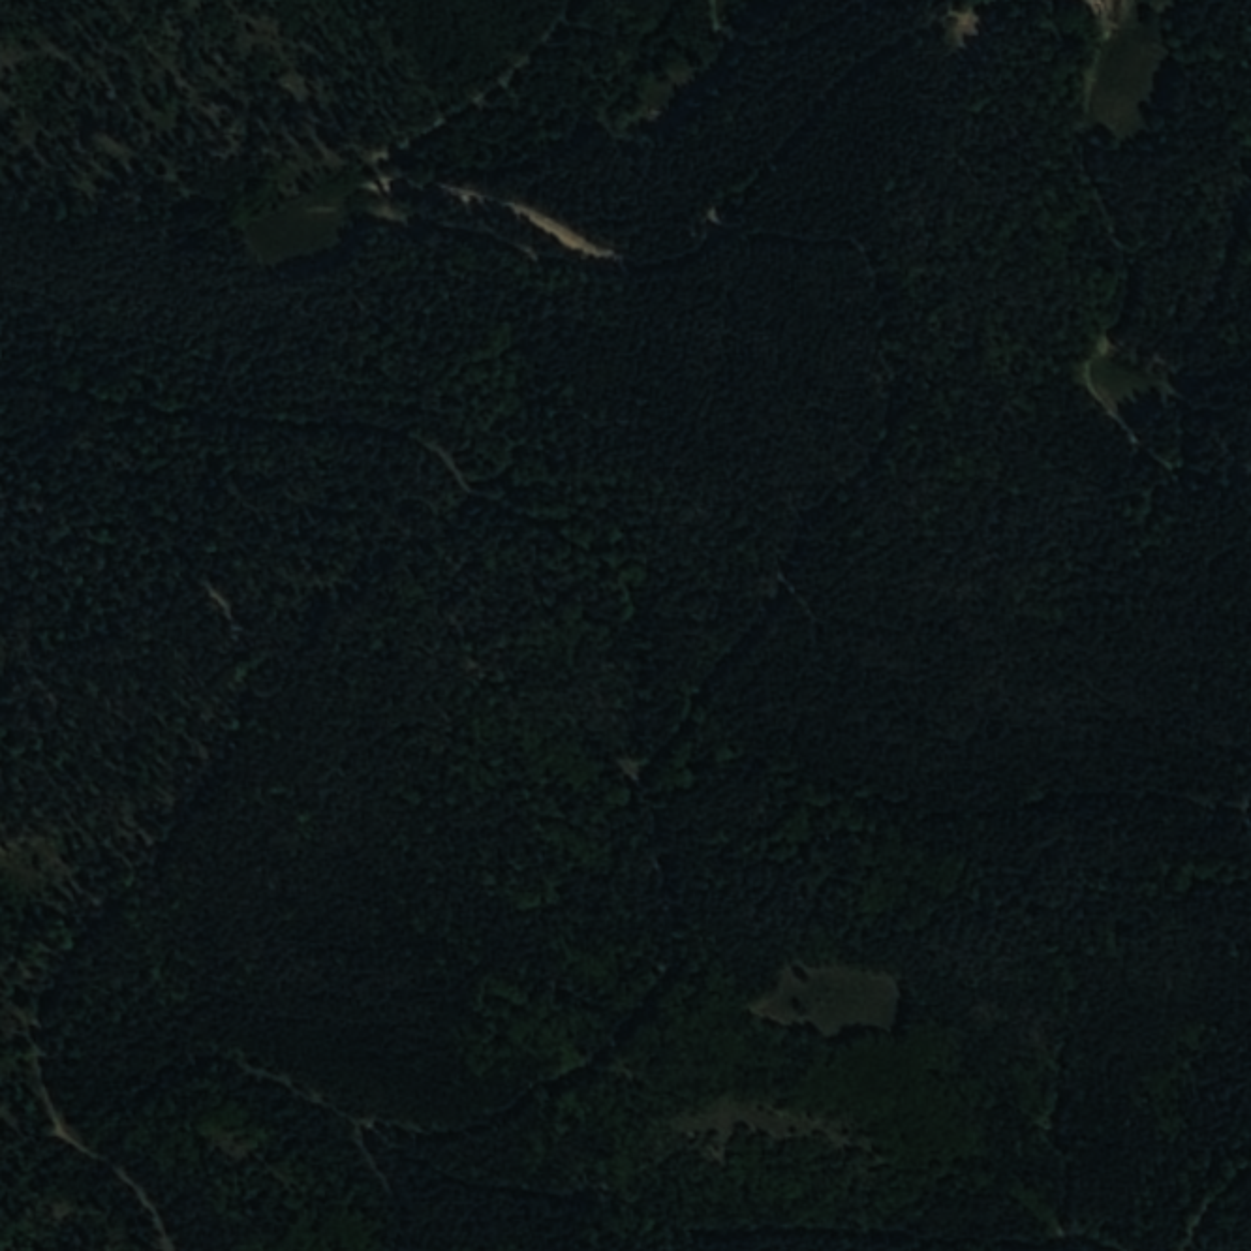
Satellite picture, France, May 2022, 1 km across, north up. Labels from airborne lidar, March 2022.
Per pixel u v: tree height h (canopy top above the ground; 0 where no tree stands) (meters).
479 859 24
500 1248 25
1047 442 29
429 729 29
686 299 21
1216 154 29
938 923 27
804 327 24
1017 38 29
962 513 33
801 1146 10
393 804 27
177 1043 18
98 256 24
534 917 19
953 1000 25
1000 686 22
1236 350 27
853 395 23
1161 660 27
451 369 24
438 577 26
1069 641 26
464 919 25
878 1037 16
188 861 23
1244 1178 21
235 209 27
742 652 29
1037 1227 25
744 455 22
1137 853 23
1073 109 27
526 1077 17
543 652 25
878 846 25
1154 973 24
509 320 30
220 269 25
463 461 19
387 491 27
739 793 22
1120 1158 29
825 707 22
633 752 21
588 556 26
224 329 23
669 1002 20
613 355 28
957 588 25
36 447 26
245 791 29
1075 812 23
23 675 27
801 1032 16
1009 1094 24
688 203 26
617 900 17
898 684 21
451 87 14
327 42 32
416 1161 18
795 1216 16
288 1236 17
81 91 6
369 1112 12
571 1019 16
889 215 27
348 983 24
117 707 29
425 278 25
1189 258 33
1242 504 26
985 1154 24
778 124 24
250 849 23
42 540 32
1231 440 27
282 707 21
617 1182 13
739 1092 14
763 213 25
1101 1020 25
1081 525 28
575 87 12
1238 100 30
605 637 25
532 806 21
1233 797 27
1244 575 29
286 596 31
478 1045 17
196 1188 14
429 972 24
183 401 21
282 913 23
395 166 15
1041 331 26
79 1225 7
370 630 24
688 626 31
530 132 17
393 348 25
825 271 24
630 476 24
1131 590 29
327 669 23
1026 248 31
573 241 0
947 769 20
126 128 30
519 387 31
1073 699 23
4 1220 31
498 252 24
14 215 26
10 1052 19
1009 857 28
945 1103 22
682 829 27
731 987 21
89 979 27
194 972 21
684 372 24
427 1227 19
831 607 19
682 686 24
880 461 27
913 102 22
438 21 16
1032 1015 22
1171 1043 20
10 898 11
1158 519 30
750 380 24
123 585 29
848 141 24
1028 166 30
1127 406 0
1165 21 14
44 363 24
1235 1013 22
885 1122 11
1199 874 18
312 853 24
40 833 29
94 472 24
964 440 33
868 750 23
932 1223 24
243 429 23
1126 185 31
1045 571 30
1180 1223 24
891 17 26
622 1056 13
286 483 21
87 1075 16
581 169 27
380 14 8
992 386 28
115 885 24
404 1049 15
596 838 24
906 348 29
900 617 19
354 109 34
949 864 25
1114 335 30
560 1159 14
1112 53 0
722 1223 17
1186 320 24
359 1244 17
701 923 23
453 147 13
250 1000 20
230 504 24
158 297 25
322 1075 16
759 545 26
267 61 8
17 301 26
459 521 32
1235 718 24
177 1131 18
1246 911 30
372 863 26
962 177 26
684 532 27
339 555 25
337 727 23
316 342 25
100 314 26
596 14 16
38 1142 9
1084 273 21
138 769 28
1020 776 26
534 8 17
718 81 17
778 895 24
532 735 25
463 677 25
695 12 18
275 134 8
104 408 24
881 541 24
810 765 29
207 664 34
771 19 33
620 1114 13
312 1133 9
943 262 25
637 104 20
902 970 22
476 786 26
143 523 24
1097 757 26
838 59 21
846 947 23
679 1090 12
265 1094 13
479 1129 18
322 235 0
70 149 28
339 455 25
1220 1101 28
